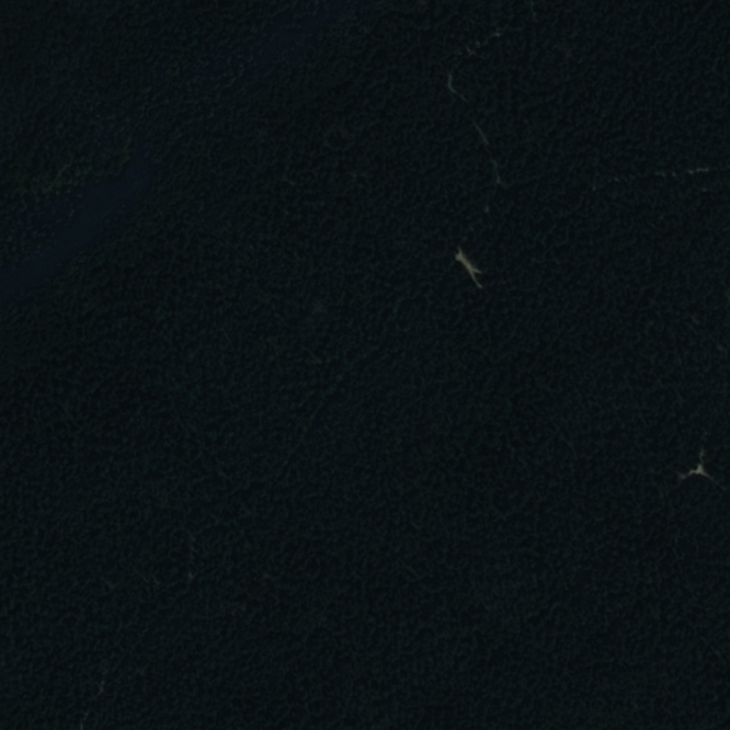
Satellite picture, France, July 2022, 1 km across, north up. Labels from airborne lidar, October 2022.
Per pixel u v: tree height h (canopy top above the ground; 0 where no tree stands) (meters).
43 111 32
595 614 26
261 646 24
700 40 18
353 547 17
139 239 12
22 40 26
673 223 19
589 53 25
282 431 22
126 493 14
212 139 14
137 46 16
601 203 30
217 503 26
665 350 11
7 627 24
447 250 24
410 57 25
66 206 32
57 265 17
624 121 26
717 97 24
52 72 32
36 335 16
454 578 22
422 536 15
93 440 24
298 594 20
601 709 16
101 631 9
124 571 19
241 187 21
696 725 19
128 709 17
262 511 18
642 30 19
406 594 18
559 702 21
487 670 22
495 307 20
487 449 23
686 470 15
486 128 19
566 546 25
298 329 20
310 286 11
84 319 21
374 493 16
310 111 18
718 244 14
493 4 13
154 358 11
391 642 20
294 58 16
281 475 25
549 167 16
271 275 14
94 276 18
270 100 16
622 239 20
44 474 22
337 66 15
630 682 19
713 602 11
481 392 14
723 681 25
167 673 11
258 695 19
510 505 29
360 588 26
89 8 34
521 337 29
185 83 20
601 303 19
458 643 19
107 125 20
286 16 18
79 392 24
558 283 21
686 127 12
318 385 23
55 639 19
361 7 19
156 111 15
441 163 20
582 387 18
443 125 20
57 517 15
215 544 19
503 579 17
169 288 20
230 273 23
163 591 8
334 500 18
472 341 25
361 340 15
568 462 18
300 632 26
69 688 19
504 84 24
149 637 9
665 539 28
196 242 21
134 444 15
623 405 26
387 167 24
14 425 25
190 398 24
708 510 14
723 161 20
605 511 16
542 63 20
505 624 23
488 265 10
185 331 24
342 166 22
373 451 23
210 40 17
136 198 15
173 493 21
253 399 17
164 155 14
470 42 17
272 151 19
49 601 25
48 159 21
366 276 12
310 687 26
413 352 19
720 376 24
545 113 9
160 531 23
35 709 15
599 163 7
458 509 25
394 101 20
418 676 24
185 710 19
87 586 20
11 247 23
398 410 15
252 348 23
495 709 20
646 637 21
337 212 17
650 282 23
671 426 28
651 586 28
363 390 20
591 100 23
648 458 25
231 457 22
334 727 20
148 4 6
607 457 26
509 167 20
